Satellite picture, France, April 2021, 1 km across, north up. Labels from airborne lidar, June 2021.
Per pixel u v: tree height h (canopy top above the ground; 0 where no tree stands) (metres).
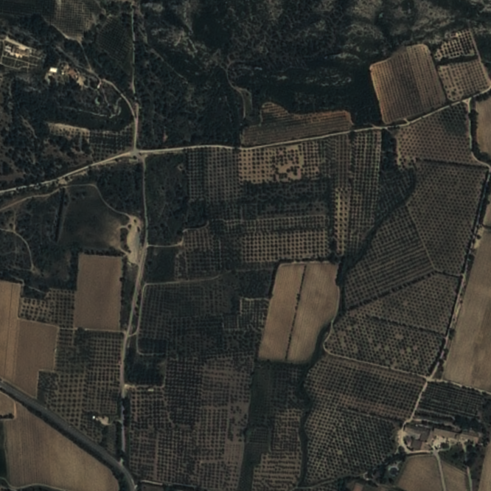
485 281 0
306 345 0
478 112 9
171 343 6
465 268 7
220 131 7
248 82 6
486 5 0
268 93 6
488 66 12
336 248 9
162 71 6
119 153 0
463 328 0
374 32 0
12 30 0
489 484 0
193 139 8
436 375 0
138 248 0
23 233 7
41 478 0
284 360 0
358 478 10
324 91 6
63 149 11
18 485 0
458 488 0
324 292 0
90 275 0
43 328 0
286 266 0
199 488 12
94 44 6
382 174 9
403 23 0
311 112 8
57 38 7
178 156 6
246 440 8
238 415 0
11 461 0
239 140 8
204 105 10
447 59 7
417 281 8
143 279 0
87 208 0
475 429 11
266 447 0
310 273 0
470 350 0
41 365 0
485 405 8
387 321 9
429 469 0
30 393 0
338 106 7
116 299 0
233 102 6
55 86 9
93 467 0
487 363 0
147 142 7
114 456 0
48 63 12
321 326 0
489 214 0
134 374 8
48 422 13
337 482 7
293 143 0
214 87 7
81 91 7
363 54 0
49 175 10
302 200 6
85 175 7
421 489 0
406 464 0
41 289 9
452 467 0
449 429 12
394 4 0
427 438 0
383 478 10
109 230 0
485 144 0
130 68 0
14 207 0
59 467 0
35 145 9
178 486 7
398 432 0
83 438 0
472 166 7
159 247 0
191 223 10
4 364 0
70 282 8
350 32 0
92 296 0
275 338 0
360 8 0
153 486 6
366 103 7
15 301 0
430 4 0
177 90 8
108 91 0
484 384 0
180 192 7
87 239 0
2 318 0
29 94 7
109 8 6
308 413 7
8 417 8
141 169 11
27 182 9
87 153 9
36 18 15
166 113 11
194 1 0
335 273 0
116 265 0
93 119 7
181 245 0
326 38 6
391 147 9
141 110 7
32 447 0
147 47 10
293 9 7
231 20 6
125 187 7
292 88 5
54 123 0
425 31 0
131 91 6
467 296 0
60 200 6
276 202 6
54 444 0
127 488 11
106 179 9
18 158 10
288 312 0
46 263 8
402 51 0
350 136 7
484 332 0
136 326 0
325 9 0
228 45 12
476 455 9
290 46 6
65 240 0
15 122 12
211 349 6
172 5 0
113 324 0
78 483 0
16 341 0
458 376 0
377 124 6
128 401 14
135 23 5
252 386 8
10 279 10
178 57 5
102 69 7
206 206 6
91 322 0
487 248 0
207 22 6
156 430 6
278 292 0
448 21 0
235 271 8
